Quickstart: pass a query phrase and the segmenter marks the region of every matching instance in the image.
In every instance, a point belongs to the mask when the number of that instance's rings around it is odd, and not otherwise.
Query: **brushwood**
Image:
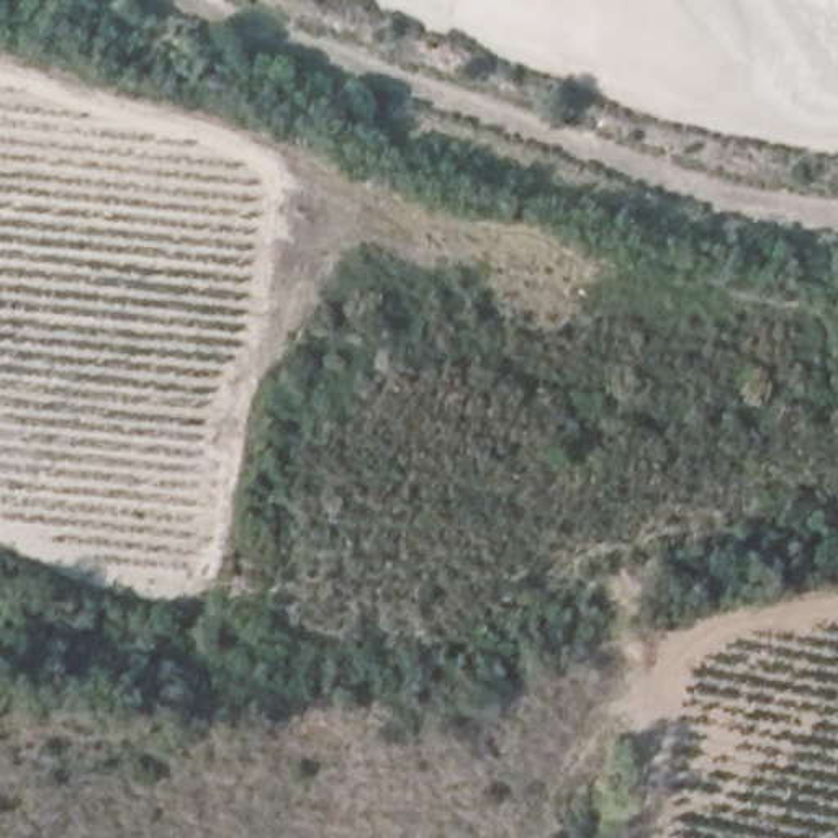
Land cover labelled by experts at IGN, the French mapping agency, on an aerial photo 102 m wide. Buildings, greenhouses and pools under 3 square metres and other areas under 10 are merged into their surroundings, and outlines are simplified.
[[[13,710],[29,714],[36,723],[46,723],[56,710],[108,710],[118,720],[144,717],[141,691],[124,694],[111,687],[108,671],[101,668],[88,668],[85,678],[72,678],[65,694],[52,694],[49,687],[29,687],[26,678],[10,678],[7,665],[0,661],[0,720]]]
[[[435,268],[422,268],[383,246],[363,242],[337,262],[337,272],[321,288],[321,301],[314,304],[314,311],[288,331],[285,357],[268,367],[249,406],[246,452],[239,468],[239,488],[232,498],[232,524],[226,534],[226,553],[213,586],[229,596],[288,592],[288,622],[331,638],[318,710],[354,710],[383,704],[390,707],[390,720],[380,730],[383,743],[409,743],[422,730],[445,733],[468,743],[471,756],[481,759],[501,756],[498,743],[504,740],[504,723],[517,707],[517,697],[524,694],[524,684],[543,687],[550,678],[563,678],[576,665],[615,674],[625,668],[625,655],[612,642],[615,602],[609,596],[612,576],[619,576],[622,570],[619,553],[606,553],[586,563],[576,579],[553,579],[550,570],[556,563],[556,553],[573,553],[576,540],[629,543],[665,501],[691,507],[720,507],[720,534],[746,537],[746,527],[756,514],[786,524],[799,484],[812,484],[815,498],[838,501],[838,304],[825,304],[818,318],[805,318],[799,311],[773,311],[769,304],[740,304],[733,298],[714,285],[697,285],[684,282],[681,275],[668,275],[642,259],[632,265],[632,272],[615,275],[612,259],[592,259],[596,282],[589,285],[589,295],[579,304],[592,324],[540,331],[534,311],[501,318],[494,291],[488,288],[491,262],[465,265],[439,259]]]
[[[147,16],[167,20],[177,7],[173,0],[72,0],[72,7],[65,10],[69,26],[85,29],[88,36],[98,36],[101,26],[118,26],[118,13],[128,3],[134,3]]]
[[[661,537],[661,566],[671,570],[678,560],[691,556],[684,547],[687,534]]]
[[[278,737],[291,717],[301,717],[308,710],[301,707],[301,701],[282,697],[268,701],[259,710],[255,704],[249,707],[246,697],[229,697],[226,691],[219,691],[216,723]]]

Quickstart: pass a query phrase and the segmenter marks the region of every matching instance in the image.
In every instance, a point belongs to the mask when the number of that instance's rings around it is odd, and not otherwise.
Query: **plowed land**
[[[681,717],[687,687],[694,684],[694,668],[701,668],[707,655],[727,651],[730,642],[750,638],[759,629],[828,638],[825,625],[838,622],[838,589],[802,592],[779,606],[743,606],[733,612],[701,619],[691,629],[678,632],[635,632],[632,615],[638,612],[642,596],[642,586],[632,579],[632,573],[622,570],[619,576],[612,576],[609,596],[615,602],[612,642],[625,655],[625,668],[619,694],[606,707],[609,714],[622,714],[635,733],[642,733],[655,720]]]
[[[46,563],[59,547],[59,527],[0,520],[0,543]]]

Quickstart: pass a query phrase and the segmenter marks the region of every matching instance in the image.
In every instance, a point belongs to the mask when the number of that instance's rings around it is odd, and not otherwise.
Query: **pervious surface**
[[[481,121],[504,124],[507,131],[560,144],[579,157],[602,160],[638,180],[707,200],[720,213],[743,213],[750,219],[769,223],[795,223],[805,229],[838,229],[838,200],[723,183],[694,170],[681,170],[661,157],[645,157],[635,147],[602,141],[583,128],[560,128],[534,111],[494,101],[471,88],[445,85],[429,75],[399,69],[367,49],[311,36],[304,29],[295,29],[288,36],[298,46],[321,49],[334,65],[347,72],[376,72],[399,79],[412,88],[412,95],[429,98],[439,108],[478,115]]]
[[[462,29],[494,56],[520,62],[527,69],[563,79],[592,79],[606,98],[615,98],[635,111],[701,124],[723,134],[763,137],[805,151],[838,154],[838,0],[376,0],[380,7],[399,10],[426,23],[429,29]]]

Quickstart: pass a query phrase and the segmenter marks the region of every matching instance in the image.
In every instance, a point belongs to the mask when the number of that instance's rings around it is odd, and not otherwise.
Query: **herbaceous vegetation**
[[[409,134],[422,137],[435,131],[462,137],[468,144],[488,147],[498,157],[547,167],[560,183],[573,187],[589,183],[596,190],[619,193],[638,180],[602,160],[579,157],[560,144],[507,131],[504,124],[481,121],[478,115],[439,108],[429,98],[412,95],[406,98],[406,118],[412,121]]]
[[[818,318],[825,304],[805,298],[779,298],[750,288],[737,288],[733,298],[740,304],[769,304],[773,311],[799,311],[805,318]]]
[[[108,710],[56,710],[46,723],[36,723],[29,714],[13,710],[0,720],[0,838],[553,838],[560,831],[553,805],[560,792],[596,795],[596,776],[573,776],[563,766],[563,753],[589,737],[592,710],[606,707],[619,694],[625,668],[615,674],[576,665],[563,678],[550,678],[543,687],[524,684],[524,694],[517,697],[517,707],[504,723],[504,740],[498,743],[501,756],[481,759],[471,756],[468,743],[445,733],[422,730],[409,743],[383,743],[380,730],[390,720],[390,707],[383,704],[354,710],[318,710],[308,710],[301,717],[291,717],[278,737],[216,723],[200,717],[193,720],[187,714],[177,717],[167,707],[157,707],[144,717],[118,720]]]
[[[687,534],[684,547],[691,556],[701,553],[701,537],[720,534],[720,507],[691,507],[665,501],[629,543],[576,540],[573,553],[556,553],[556,563],[550,570],[553,579],[576,579],[586,563],[606,553],[619,553],[622,570],[632,573],[632,579],[642,586],[642,596],[655,586],[661,566],[661,537]]]
[[[304,29],[311,36],[367,49],[399,69],[429,75],[445,85],[471,88],[494,101],[534,111],[560,128],[583,128],[602,141],[635,147],[645,157],[661,157],[681,170],[694,170],[723,183],[838,200],[838,154],[805,151],[763,137],[723,134],[701,124],[635,111],[615,98],[606,98],[592,79],[563,79],[527,69],[520,62],[494,56],[462,29],[429,29],[426,23],[399,10],[380,7],[376,0],[226,0],[236,13],[259,13],[262,7],[275,10],[288,36],[295,29]]]
[[[321,288],[337,272],[337,262],[363,242],[383,246],[422,268],[435,268],[439,259],[465,265],[491,262],[488,288],[494,291],[501,318],[534,311],[540,331],[592,324],[579,304],[589,295],[589,285],[596,282],[592,259],[586,259],[576,246],[563,246],[543,226],[429,213],[416,200],[390,190],[386,183],[347,180],[331,157],[311,154],[298,141],[275,144],[285,170],[295,177],[295,190],[278,206],[278,213],[288,223],[288,239],[275,242],[275,272],[268,285],[272,311],[268,327],[259,340],[259,360],[268,367],[285,357],[288,331],[314,311],[314,304],[321,301]]]

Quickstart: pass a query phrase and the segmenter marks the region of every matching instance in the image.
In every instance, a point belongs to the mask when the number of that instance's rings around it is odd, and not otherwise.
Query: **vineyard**
[[[701,668],[694,668],[694,684],[687,687],[681,717],[655,720],[642,733],[635,733],[622,714],[609,714],[606,707],[592,710],[589,737],[563,753],[563,766],[573,776],[596,776],[596,795],[560,792],[553,805],[560,831],[553,838],[838,838],[838,622],[825,625],[828,638],[759,629],[750,638],[730,642],[727,651],[707,655]]]
[[[259,340],[268,327],[272,311],[268,285],[275,272],[275,242],[288,239],[288,223],[278,213],[278,206],[295,190],[295,177],[285,170],[275,144],[265,131],[236,131],[196,111],[121,98],[108,88],[62,85],[59,79],[49,79],[39,69],[16,65],[10,56],[0,56],[0,520],[59,527],[59,547],[46,563],[98,573],[108,586],[128,586],[147,599],[180,599],[213,586],[226,553],[226,534],[232,524],[232,498],[239,488],[239,468],[246,452],[249,406],[268,367],[259,360]]]

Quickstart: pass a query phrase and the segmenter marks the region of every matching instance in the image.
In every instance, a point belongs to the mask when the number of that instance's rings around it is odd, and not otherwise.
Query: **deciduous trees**
[[[118,26],[101,26],[98,36],[88,36],[85,29],[69,26],[65,10],[72,7],[72,0],[0,0],[0,56],[10,56],[16,65],[39,69],[49,79],[59,79],[62,85],[108,88],[121,98],[196,111],[236,131],[265,131],[275,144],[298,141],[311,154],[331,157],[347,180],[386,183],[390,190],[416,200],[429,213],[543,226],[563,246],[576,246],[586,259],[592,259],[612,259],[615,275],[632,272],[632,265],[642,259],[668,275],[681,275],[684,282],[697,285],[714,285],[733,298],[737,288],[750,288],[779,298],[805,298],[825,304],[838,304],[838,229],[805,229],[795,223],[769,223],[750,219],[743,213],[720,213],[707,200],[638,180],[619,193],[596,190],[589,183],[573,187],[560,183],[547,167],[498,157],[488,147],[468,144],[462,137],[435,131],[422,137],[409,134],[412,121],[406,118],[406,98],[412,95],[412,88],[399,79],[376,72],[347,72],[334,65],[321,49],[298,46],[288,36],[275,10],[262,7],[259,13],[236,13],[226,0],[173,0],[177,7],[167,20],[147,16],[134,3],[128,3],[118,13]]]
[[[144,717],[157,707],[167,707],[177,717],[187,714],[193,720],[200,717],[216,723],[219,691],[226,691],[229,697],[246,697],[249,707],[255,704],[259,710],[268,701],[282,697],[301,701],[301,707],[308,710],[318,710],[331,638],[288,622],[288,592],[229,596],[213,586],[180,599],[147,599],[128,586],[108,586],[98,573],[46,563],[0,543],[0,661],[7,665],[10,678],[26,678],[29,687],[49,687],[52,694],[65,694],[72,678],[85,678],[88,668],[101,668],[108,671],[111,687],[124,694],[141,691]]]
[[[746,527],[746,537],[720,534],[701,537],[701,553],[691,556],[678,560],[671,570],[661,566],[655,586],[642,596],[638,612],[632,615],[635,632],[678,632],[691,629],[701,619],[733,612],[743,606],[779,606],[802,592],[838,589],[838,501],[815,498],[812,484],[799,484],[786,524],[756,514]]]

